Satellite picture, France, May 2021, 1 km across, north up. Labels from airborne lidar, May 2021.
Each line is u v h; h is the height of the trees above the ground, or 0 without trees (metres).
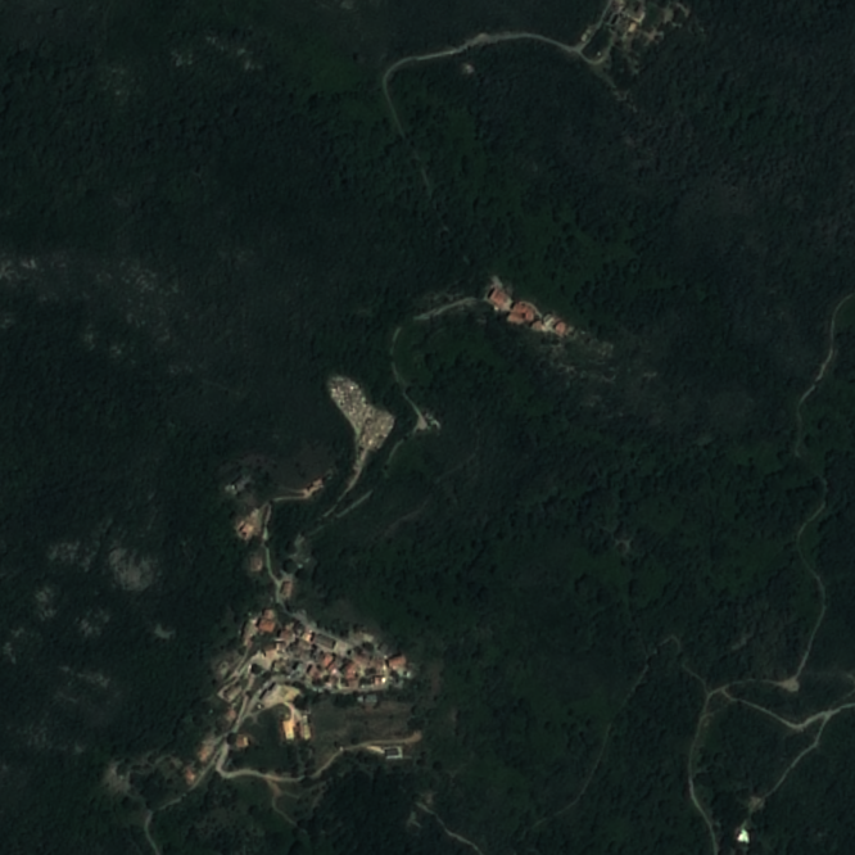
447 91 12
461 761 0
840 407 6
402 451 8
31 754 10
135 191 11
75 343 12
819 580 6
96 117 11
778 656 8
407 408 8
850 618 9
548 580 8
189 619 10
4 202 11
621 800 12
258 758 0
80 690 6
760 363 8
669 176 13
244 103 19
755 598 13
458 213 19
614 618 9
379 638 0
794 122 13
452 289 8
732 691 7
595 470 11
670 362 9
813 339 8
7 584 10
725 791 7
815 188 5
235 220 8
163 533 9
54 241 6
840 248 7
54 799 9
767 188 11
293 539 8
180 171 9
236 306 7
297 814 8
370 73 7
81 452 9
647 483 12
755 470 14
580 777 9
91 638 13
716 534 7
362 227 6
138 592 13
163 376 8
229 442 8
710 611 10
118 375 12
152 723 6
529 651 7
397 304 14
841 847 9
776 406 11
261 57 15
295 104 14
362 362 14
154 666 8
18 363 15
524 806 8
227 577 13
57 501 18
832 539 9
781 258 13
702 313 9
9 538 10
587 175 8
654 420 16
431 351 7
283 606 9
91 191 16
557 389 9
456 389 13
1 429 15
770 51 9
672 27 10
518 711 12
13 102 13
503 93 10
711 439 7
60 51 9
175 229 6
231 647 8
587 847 8
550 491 19
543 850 13
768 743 7
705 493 10
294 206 7
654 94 6
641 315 10
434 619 5
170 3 8
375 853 12
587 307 10
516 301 11
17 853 10
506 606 6
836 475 13
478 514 15
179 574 11
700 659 8
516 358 8
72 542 6
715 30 8
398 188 19
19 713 11
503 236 18
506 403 13
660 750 10
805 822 8
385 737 0
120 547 6
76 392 12
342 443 7
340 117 19
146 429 13
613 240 12
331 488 9
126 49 7
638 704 9
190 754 11
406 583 8
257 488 7
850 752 6
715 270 8
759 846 11
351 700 8
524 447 14
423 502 7
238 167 9
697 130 12
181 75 10
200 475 14
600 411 9
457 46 14
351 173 17
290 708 0
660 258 8
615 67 6
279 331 9
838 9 17
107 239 6
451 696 7
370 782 16
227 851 14
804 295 7
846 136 9
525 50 8
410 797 9
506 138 13
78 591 12
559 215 9
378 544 7
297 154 9
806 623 6
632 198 13
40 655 11
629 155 7
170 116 17
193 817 11
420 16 7
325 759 0
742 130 20
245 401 7
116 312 6
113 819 15
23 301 9
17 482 10
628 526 7
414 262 8
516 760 8
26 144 5
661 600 7
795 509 14
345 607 0
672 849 6
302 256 7
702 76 18
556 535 8
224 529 19
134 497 13
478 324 7
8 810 6
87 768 8
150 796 15
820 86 12
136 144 11
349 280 9
